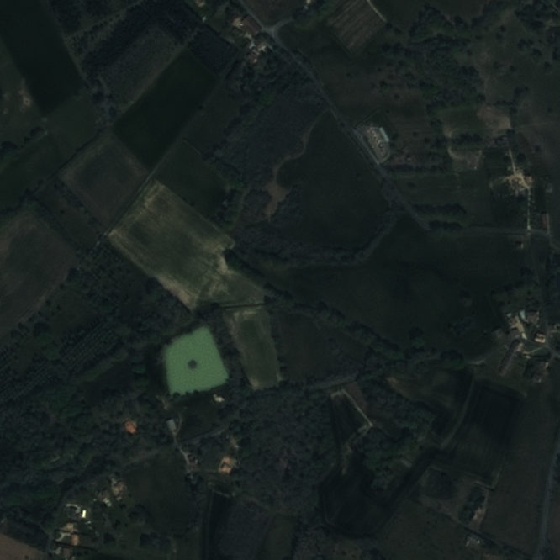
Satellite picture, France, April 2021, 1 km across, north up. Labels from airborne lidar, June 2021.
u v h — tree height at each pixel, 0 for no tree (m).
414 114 0
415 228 0
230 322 0
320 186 0
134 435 8
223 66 12
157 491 0
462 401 0
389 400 13
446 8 0
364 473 0
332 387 0
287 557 0
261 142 11
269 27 0
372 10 0
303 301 0
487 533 0
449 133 0
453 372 0
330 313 19
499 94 0
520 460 0
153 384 0
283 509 9
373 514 0
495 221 0
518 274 0
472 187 0
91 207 0
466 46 18
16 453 0
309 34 0
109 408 16
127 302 12
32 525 17
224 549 13
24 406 14
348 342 0
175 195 0
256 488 21
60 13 9
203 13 0
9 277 0
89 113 0
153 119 0
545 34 19
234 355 16
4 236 0
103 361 22
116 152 0
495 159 0
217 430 7
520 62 0
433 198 0
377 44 0
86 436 15
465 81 21
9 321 0
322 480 12
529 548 0
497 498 0
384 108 0
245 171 10
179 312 19
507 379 0
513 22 0
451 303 0
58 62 0
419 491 0
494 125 0
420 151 0
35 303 0
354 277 0
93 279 12
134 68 14
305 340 0
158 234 0
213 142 0
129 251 0
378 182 0
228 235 10
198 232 0
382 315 0
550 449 0
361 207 0
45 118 0
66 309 0
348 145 0
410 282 0
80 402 21
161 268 0
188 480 10
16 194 0
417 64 15
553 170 0
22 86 0
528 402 0
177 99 0
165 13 11
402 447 17
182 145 0
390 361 11
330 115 0
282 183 0
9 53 0
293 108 13
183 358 0
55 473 9
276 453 10
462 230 18
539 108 0
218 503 0
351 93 0
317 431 13
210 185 0
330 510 0
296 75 8
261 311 0
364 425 0
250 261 0
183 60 0
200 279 0
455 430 0
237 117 0
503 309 11
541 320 9
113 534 0
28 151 0
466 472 0
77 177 0
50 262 0
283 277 0
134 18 13
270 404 24
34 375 15
